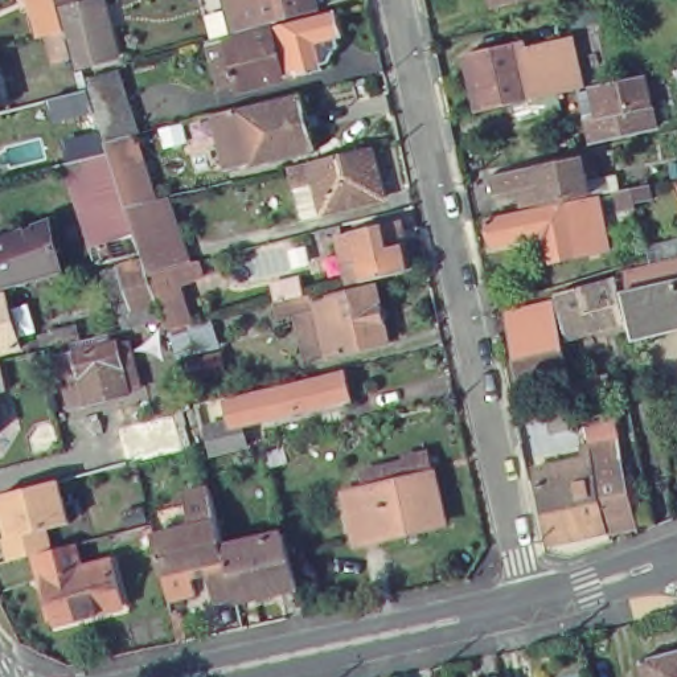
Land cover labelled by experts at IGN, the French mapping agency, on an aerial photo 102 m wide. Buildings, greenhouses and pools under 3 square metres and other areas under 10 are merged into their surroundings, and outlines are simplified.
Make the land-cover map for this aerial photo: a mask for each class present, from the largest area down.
<instances>
[{"label":"building","instance_id":"1","mask_svg":"<svg viewBox=\"0 0 677 677\"><path fill-rule=\"evenodd\" d=\"M29 21L32 34L45 40L50 63H74L77 87L66 95L56 93L53 98H48L42 103L45 114L53 122L87 114L93 116L90 130H79L77 135L63 140V151L58 159L69 169L66 177L69 198L85 238L87 257L95 264H103V275L98 278V283L103 286L108 309L119 312V325H114L106 336L90 333L87 339H82L77 331H34L32 312L26 304L11 307L5 301V294L11 288H29L40 296L42 288L50 286V280L63 270L53 249L48 214L24 212L16 227L0 230V357L8 354L13 365L29 357L32 346L66 344L69 373L63 397V407L69 410L71 405L85 402L103 405L106 399L127 397L143 386L138 378L135 360L143 354L140 344L148 333V325H159L161 344L169 341L180 360L182 370L193 381L225 376V370L219 341L212 325H193L190 317L182 288L196 286L206 272L198 262L188 259L185 243L180 235V222L175 219L172 209L167 198L153 196V185L145 169L143 151L135 140L138 127L122 85V53H116L106 0H16ZM344 0H204L206 26L209 37L204 42V53L209 61V71L212 90L230 93L238 100L246 95L286 87L291 79L299 77L312 79L320 71V63H331L339 40L333 11ZM489 5L505 11L516 8L518 0H487ZM460 66L468 85L471 108L487 114L497 111L500 100H510L513 106L539 103L542 111L561 106L571 114H579L584 140L590 145H598L608 140H632L637 135L658 130L645 77H619L614 82L595 85L582 82L577 48L571 37L545 40L534 45L502 42L481 50H460ZM212 130L209 156L222 167L249 164V169L254 172H259L257 167L262 161L283 164L309 159L315 151L304 122L301 98L288 95L267 103H254L238 111L201 114ZM185 138L180 124L161 127L159 132L161 148L177 145ZM286 180L294 193L296 214L299 219H307L312 225L341 222L346 227H365L333 235V259L339 267L333 278L344 280L339 294L315 299L304 291L299 280L280 278H264V288L272 296L267 307L270 317L278 323L288 320V336L296 341L294 365L323 368L333 362L362 360L365 354H383L391 339L381 317L378 278H386L399 275L405 264H410L402 219L376 225V214L394 206L381 190L378 164L370 148L339 159H323L307 167H291L286 172ZM640 188H619L616 177L608 175L603 185L590 190L579 156L555 159L513 172H497L489 182L492 190H500L508 204L518 206V212L495 217L489 225H484L487 249L500 251L513 249L524 235H537L539 241H545L547 262L553 264L561 259H598L608 251L606 227L616 219L632 217L635 204H648L653 209L656 193L648 188V177H637ZM563 299H558L555 304L539 301L505 312V333H508V352H510V360H508V365H505L513 381L534 370V365L542 357L558 354L561 344L569 339H579L584 346H595L606 344L614 333H624L627 341L635 344L648 331L677 333V264H645L629 267L624 272L621 291L614 280H603L561 291ZM217 399L222 402V415L201 426L196 428L198 444L190 447L196 450L198 460L206 455L214 458L246 447V426L296 428L299 420L309 415L325 418L331 410L344 407L349 399L344 373L294 381L235 397H217ZM119 450L124 458L132 460H148L179 452L188 447L185 428L169 415L153 418L138 426L116 428ZM547 440L574 432L579 447L569 452L571 460L566 463H550L545 458L542 463H534V468L526 471L534 487V502L539 510H545L537 518L542 545H561L600 534L611 539L635 532V481H624L616 423L595 420L577 431H569L563 420L543 423ZM354 487L339 489L336 502L341 516L344 532L349 547L354 550L360 553L368 545L383 542L444 526V505L436 473L428 463V452H418V447H413L402 455L378 458L362 471V476H352ZM286 463V452L275 450L267 458V465H272L278 468ZM66 513L58 489L56 481H42L0 495V566L5 561L19 558L29 561L32 590L42 621L50 632L66 629L93 624L111 616H124L130 606L119 595L116 569L111 558H95L98 545L93 532L69 534L63 529ZM172 508H182V516H177L182 524L175 526L172 521H161V526L151 532V542L143 550L151 561V574L159 579L167 600H185L193 592V579H204V592H209L212 606H246L249 600H257L262 595L270 600L275 595H296V587L286 561L280 532H262L235 539L217 537L212 497L204 484L185 489ZM124 524L127 529L145 526L143 518L140 502H132L124 508ZM640 677H677V653H658V648L648 651L645 656H640L637 664Z\"/></svg>","mask_w":677,"mask_h":677},{"label":"impervious surface","instance_id":"2","mask_svg":"<svg viewBox=\"0 0 677 677\"><path fill-rule=\"evenodd\" d=\"M376 34V53H362L357 50V45H352L344 53L341 63H320V71L312 79L299 77L291 79L286 87L246 95L238 100L230 93L212 90H190L182 85L145 87L143 106L151 116V127L159 132L161 127L180 124L185 138L177 145L190 156L196 172L219 175L238 177L254 172L249 169V164L222 167L209 156L212 130L201 114L238 111L254 103H267L288 95L301 98L304 122L315 151L309 159L283 164L262 161L257 167L259 172L275 167L286 172L291 167H307L323 159H339L370 148L378 164L381 190L394 206L376 214V225L402 219L410 264L420 262L428 267V299L423 304L431 323L444 345L447 376L405 383L394 394L381 391L370 397L365 405H354L349 399L344 407L331 410L325 418L336 420L341 415H368L373 407L389 405L397 418H405L410 405L452 399L458 407H463L460 431L465 442V455L455 458L452 465L471 471L479 468L495 550L487 555L481 577L455 579L452 584L405 592L399 595V600L383 603L376 614L352 621L339 616H301L296 595H275L270 600L262 595L257 600H249L246 606H278L280 616L270 627L235 632L233 627L225 629V619L235 621V606H212L209 592H204V579H193V592L185 600H167L175 640H167L161 648L122 651L116 656L108 653L106 661L95 669H74L66 661V656L50 658L40 648L21 643L19 648L0 645V677H431L434 669L450 661H471L473 672L468 677H526L524 669L529 666V656L524 653V648L558 637H571L584 629L611 632L616 635L619 629L629 627L632 619H643L656 608L677 603V521L664 518V495L656 492L661 471L656 465L643 426L640 399L624 407L616 423L624 481H648L653 516V524L648 526L635 524V532L611 539L600 534L561 545H542L537 518L545 510H539L534 502V487L526 471L534 468V463H542L545 458L550 463H566L571 460L569 452L579 447L574 432L547 440L543 423H529L518 428L513 426V381L505 365H500V368H497V365H495V357H492V344H495V339H497V336H505V312L497 309L484 294V286L502 262L500 251L487 249L484 225H489L495 217L518 212V206L508 204L500 190H492L489 182L497 172L492 167L479 172V182H468L460 175L455 143L463 138V132L479 127L481 122H463L450 127V106L442 77L450 66L447 56L436 58V53L431 50L423 0H368ZM339 82H354V87L360 90V100L349 111L331 98ZM190 608H201L209 619V635L196 645L185 643L182 616ZM577 26L571 37L577 48L582 82L595 85V66L603 53L600 45L592 40L598 29V16L582 13L571 24ZM497 111H508L513 114V119L534 116L542 111L539 103L513 106L510 100H500ZM365 227H346L341 222L312 225L309 230L296 233L294 243V249L288 251V264L294 270L283 272L280 278L299 280L304 291L312 286L317 275L333 278L339 267L333 259V235ZM677 264V243L666 241L645 246V264ZM188 259L198 262L206 272L196 286L182 288L190 317L201 307L212 304L209 291L214 288L246 294L262 288L251 275L246 280H235L222 272H212L206 254L201 251V246L185 243ZM635 344H645L648 349L661 346L664 360H677V333L648 331ZM159 399V389L153 381L143 386L127 397L106 399L103 405L85 402L71 405L69 410L63 407V397H50L56 413L53 423L56 442L42 452L32 450L26 460L0 468V495L42 481H56L58 489L71 479H87L106 471H122L132 460L124 458L119 450L116 428L138 426L153 418L148 413V402ZM193 410H198L201 426L222 415V402L217 399H201L190 405ZM177 516H182V508H164L143 518L145 526L148 532L140 537L143 550L151 542V532L161 526V521H172L175 526L182 524ZM365 555L368 569L373 579H378L386 566L383 542L368 545L360 553Z\"/></svg>","mask_w":677,"mask_h":677},{"label":"herbaceous vegetation","instance_id":"3","mask_svg":"<svg viewBox=\"0 0 677 677\"><path fill-rule=\"evenodd\" d=\"M77 87L74 63H50L45 40L32 34L29 21L16 0H0V156L5 153L3 145L11 148L37 138L45 145L48 161L58 159L63 151V140L77 135L79 130H90L93 116L87 114L53 122L45 114L42 103L48 98H53L56 93L66 95ZM116 53H122L124 48H138V40H145L148 48H156L172 40L196 37L206 26L204 0H106ZM339 40L331 63H341L344 53L352 45H357V50L362 53H376V34L368 0H344L333 11ZM431 50L436 53V58L447 56L450 66H460V50H481L502 42L534 45L545 40L571 37L577 26L571 24L500 32L505 11L489 5L487 0H423ZM645 37H637L635 45L619 56V77H645L658 130L637 135L632 140H608L598 145H590L584 140L574 148H553L537 153V145L532 140V124L537 122L534 116L513 119V114L508 111H497L487 114L481 122L479 127L481 138L487 140L513 138L510 148L495 151L492 167L497 172H513L555 159L579 156L590 190L603 185L608 175L616 177L619 188H640L637 177H648V188L656 193L653 209L648 204H635L632 217L645 235V246L666 241L677 243V0H645L635 13ZM196 45H182L172 53L167 63L138 66L135 71L130 66H122V85L138 127L135 140L143 151L145 169L153 185L161 182V177L196 182L201 175L206 180H214L219 175L196 172L190 156L177 145L161 148L159 132L151 127V116L143 106L145 87L182 85L190 90H212L209 71H201L193 63ZM331 98L349 111L360 100V90L354 87V82H339ZM16 188L0 193V230L16 227L24 212L48 214L53 249L63 270H77L87 257L85 238L69 198L66 177L56 172L24 175L16 177ZM175 219L180 222V235L185 243L201 246V238H206V227L214 222H233L238 230L251 233L288 222L296 214L294 193L286 180L264 182L246 190H227L225 196L201 201L198 209H172ZM603 280H614L621 291L624 272L614 267L603 270L598 259H561L553 264L547 262L539 264V272L529 288L539 301L555 304L558 299H563L561 291ZM381 317L391 339L383 354H365L362 360L333 362L323 368L294 365L296 341L288 336L275 339L267 331L251 328L254 317H270L267 307H259L257 312H243L241 320L235 315H227L225 323L214 320L212 325L219 341L225 370L235 362L238 352H246L262 357L270 365L288 368V376L294 381L344 373L349 399L354 405H365L370 397L381 391L394 394L405 383L447 376L444 345L431 323L426 331H410L405 325V304L394 294H389L386 278H378ZM5 301L11 307L26 304L32 312L34 331H45L42 307L40 296L29 288H11L5 294ZM0 391L13 394L21 405V415L16 418L19 434L5 458H0V468L26 460L32 450L34 426L53 423L56 413L50 397L45 391V381L37 373V365L29 357L13 365L8 354L0 357ZM225 376L193 381L196 394L190 397L188 407L169 415L185 428L188 447H190L198 444L196 428L201 426L198 410H193L190 405L201 399H217V397L214 386L222 383ZM463 407H458L452 399L410 405L405 418V428L399 431L394 426H376L368 415H341L336 420L341 431L352 436V442L333 439L328 442V447L286 452V463L278 468L272 465L270 473L280 500V521H268L263 485L255 465H241L246 487L238 497H233V492L225 489V484L219 481V463L214 458L206 455L198 460L204 484L212 497L217 537L235 539L262 532H280L286 561L296 587L304 582L301 566H315L320 592L346 598L357 590L352 574L357 569H368L365 555L360 553L354 550L352 555L320 553L323 537H336L344 532L341 516L333 524H328L320 534L309 532L301 524L294 497L296 489H307L315 481H333V487L339 489L354 487L352 476H362V471L378 458L402 455L413 447H418V452H428V463L436 473L444 505V526L383 542L386 566H399L407 574L405 592L452 584L455 579V569L450 566L452 550H463L471 558H481V553L487 550L471 471L452 465L455 458L465 455V442L460 431ZM87 489L93 492V532L98 545L95 558H111L116 569L119 595L130 606L124 616H111L93 624L103 635L108 653L116 656L122 651L161 648L167 640H175L167 600L159 579L151 574V561L143 550L140 537L148 532L145 526L127 529L124 524V508L132 502H140L143 518L164 508H172L185 489L179 452L148 460H132L122 471H106L87 479ZM11 595L25 624L48 640L40 648L50 658L66 656L79 645L66 629L50 632L42 621L32 590L29 561L19 558L5 561L0 566V603ZM280 616L278 606H235V621L225 619V629L233 627L235 632L270 627ZM658 648V653H677V643L666 635H635L629 627L619 629L616 635L611 632L606 640L598 643V648L590 645L584 651L587 669L579 677H640L637 664L640 656H645L648 651Z\"/></svg>","mask_w":677,"mask_h":677},{"label":"deciduous trees","instance_id":"4","mask_svg":"<svg viewBox=\"0 0 677 677\"><path fill-rule=\"evenodd\" d=\"M645 0H518L516 8L505 11L500 32L571 24L582 13L598 16V29L592 40L600 45L603 53L595 66V85L614 82L619 77V56L635 45L637 37H645L635 13ZM450 106V127L463 122H481L487 114L471 108L468 85L460 66H450L442 77ZM537 122L532 124V140L537 145V153L553 148H574L584 140L579 114H571L561 106L542 111L534 116ZM513 138L487 140L481 138L479 127L463 132V138L455 143L460 175L468 182H479V172L492 167L495 151L510 148ZM608 251L598 259L603 270L614 267L624 272L629 267L645 264V235L632 217L616 219L606 227ZM502 262L484 286V294L497 309L505 312L539 301L529 288L539 272V264L547 262L545 241H539L537 235H524L513 249L500 251ZM212 272H222L235 280H246L251 275V259L257 257V251L254 243L243 241L222 251L206 254ZM103 275V264H95L87 257L77 270H63L50 280V286L42 288L40 296L42 307L56 304L58 309H69L77 320V331L82 339H87L90 333L106 336L114 325H119V312L108 309L103 286L98 283V278ZM389 294H394L405 304V325L410 331H426L431 323L423 304L428 299V267L420 262L410 264H405L399 275L386 278ZM251 328L267 331L275 339L288 336V320L278 323L270 317H254ZM492 357H495V365H497V368H500V365H508V360H510V352H508V333H505V336H497V339H495V344H492ZM640 399L643 426L656 465L661 471L656 492L664 495V518L677 521V360H664L661 346L648 349L645 344H635L627 341L624 333H614L606 344L595 346H584L579 339H569L561 344L558 354L542 357L534 365V370L513 381V426L518 428L529 423H543L563 420L569 431H577L595 420L616 423L624 407ZM29 357L37 365V373L45 381V391L50 397H63L69 373L66 344L32 346ZM294 381L288 376V368L270 365L262 357L246 352H238L235 362L225 370V376L222 383L214 386L217 397H235ZM159 389V399L148 402V413L153 418L169 415L188 407L190 397L196 394L193 381L182 370L180 360L169 362L164 376H156L153 381ZM368 415L376 426H394L399 431L405 428V418H397L389 405L373 407ZM246 447L214 458L219 463V481L225 484V489L233 492V497H238L246 487L241 465H255L259 458H267L275 450L286 452L328 447V442L333 439L352 442V436L341 431L336 420L325 418L309 415L299 420L296 428L246 426ZM294 497L301 524L309 532L320 534L328 524H333L341 516L336 502L339 489L333 487V481H315L307 489H296ZM304 582L296 587V595L301 616H339L352 621L376 614L383 603L399 600V595L405 592L407 574L399 566H386L378 579H373L368 569H357L352 574L357 590L346 598L320 592L315 566H301ZM635 635H666L677 643V603L656 608L643 619H632L629 627ZM185 643L196 645L209 635V619L201 608H190L182 616ZM79 645L66 656V661L74 669H95L106 661L108 653L103 635L93 624L66 629ZM611 632L584 629L571 637H558L524 648V653L529 656V666L524 669L526 677H579L587 669L584 651L590 645L598 648V643L606 640ZM473 672L471 661H450L434 669L431 677H468Z\"/></svg>","mask_w":677,"mask_h":677},{"label":"brushwood","instance_id":"5","mask_svg":"<svg viewBox=\"0 0 677 677\"><path fill-rule=\"evenodd\" d=\"M209 37L206 26L196 37L172 40L156 48H148L145 40H138V48H124L122 53V66H130L135 71L138 66L167 63L172 53L182 45H196L193 63L201 71H209V61L204 53V42ZM56 172L66 177L69 169L58 159L48 161L11 172L0 169V193L16 188V177L24 175ZM286 180V172L275 167L259 172H254L238 177L219 175L214 180H206L201 175L196 182L161 177V182L153 185V196L167 198L172 209H198L201 201L225 196L227 190H246L264 182ZM344 280L333 278L317 275L312 286L304 291L315 299L339 294ZM212 304L201 307L190 317L193 325H212L214 320L225 323L227 315H235L241 320L243 312H257L259 307H267L272 296L264 288H262L246 294L214 288L209 291ZM185 489L204 484L198 460L196 450L190 447H188L179 452ZM263 485L268 521H280V500L270 473L272 465H267V458H259L255 465ZM487 550L481 553V558H471L463 550H452L450 566L455 569V579L481 577L487 555L495 550L479 468L471 471ZM635 524L648 526L653 524V516L648 481H635ZM320 553L352 555L354 550L349 547L344 532L336 537H323ZM0 606L21 643L40 648L48 640L25 624L11 595L0 603Z\"/></svg>","mask_w":677,"mask_h":677},{"label":"pervious surface","instance_id":"6","mask_svg":"<svg viewBox=\"0 0 677 677\"><path fill-rule=\"evenodd\" d=\"M312 225L307 219H299L296 214L288 222L251 233L238 230L233 222H214L206 227V238H201V251L206 254L222 251L243 241L254 243L257 251L262 246L294 243L296 233L309 230ZM45 331H77V320L69 309H58L56 304L42 307ZM143 354L135 360L138 378L143 386L153 381L156 376H164L169 362L180 360L169 341L161 344L159 325H148V333L140 344ZM21 415V405L13 394L0 391V458H5L19 434L16 418ZM66 513L63 529L69 534L93 532V492L87 489V479H71L58 489ZM0 645L19 648L21 643L0 606Z\"/></svg>","mask_w":677,"mask_h":677},{"label":"swimming pool","instance_id":"7","mask_svg":"<svg viewBox=\"0 0 677 677\"><path fill-rule=\"evenodd\" d=\"M5 153L0 156V169L11 172L48 161L45 145L37 138L11 148L3 145ZM294 249V243L262 246L257 251V257L251 259V275L262 288H264V278H280L283 272L294 270L288 264V251ZM56 442L53 423L34 426L32 450L42 452Z\"/></svg>","mask_w":677,"mask_h":677}]
</instances>
